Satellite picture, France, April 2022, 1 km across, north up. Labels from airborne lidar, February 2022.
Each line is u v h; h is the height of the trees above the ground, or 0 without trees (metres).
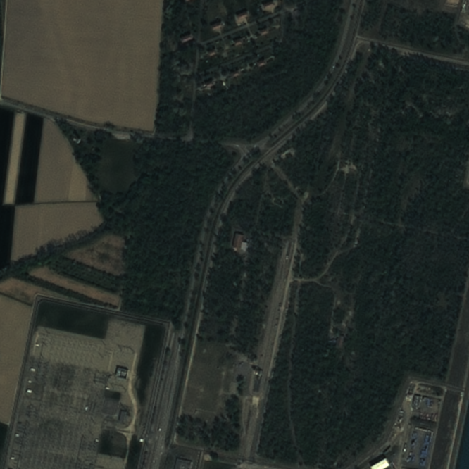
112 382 0
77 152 10
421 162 10
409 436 0
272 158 0
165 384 0
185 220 15
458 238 14
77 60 0
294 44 17
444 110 18
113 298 0
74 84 0
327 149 14
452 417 0
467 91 15
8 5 0
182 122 21
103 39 0
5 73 0
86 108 0
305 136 9
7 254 0
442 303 0
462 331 0
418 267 13
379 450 0
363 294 8
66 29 0
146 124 0
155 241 16
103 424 0
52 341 0
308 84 9
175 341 0
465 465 0
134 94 0
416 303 12
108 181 0
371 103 17
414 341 13
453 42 23
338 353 13
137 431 0
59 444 0
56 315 0
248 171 0
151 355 0
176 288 6
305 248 16
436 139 8
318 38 13
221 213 0
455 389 0
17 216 0
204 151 11
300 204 0
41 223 0
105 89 0
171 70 9
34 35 0
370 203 9
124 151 0
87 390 0
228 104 18
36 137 0
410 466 0
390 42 0
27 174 0
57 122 10
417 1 0
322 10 10
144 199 17
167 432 0
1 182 0
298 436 11
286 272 0
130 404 0
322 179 0
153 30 0
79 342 0
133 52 0
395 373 10
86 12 0
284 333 8
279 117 13
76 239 20
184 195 18
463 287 13
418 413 0
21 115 0
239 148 0
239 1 0
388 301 13
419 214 14
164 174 16
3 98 0
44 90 0
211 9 0
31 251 0
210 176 14
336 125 17
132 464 0
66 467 0
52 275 0
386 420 10
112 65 0
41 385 0
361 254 8
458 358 0
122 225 17
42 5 0
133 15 0
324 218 12
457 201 10
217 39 0
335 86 0
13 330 0
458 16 0
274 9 0
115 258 0
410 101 0
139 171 9
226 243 21
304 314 10
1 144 0
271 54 0
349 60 0
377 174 13
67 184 0
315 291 8
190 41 13
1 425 0
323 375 10
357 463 0
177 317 10
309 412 14
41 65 0
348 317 0
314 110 0
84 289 0
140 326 0
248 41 0
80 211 0
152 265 20
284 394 12
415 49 0
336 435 9
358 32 0
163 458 0
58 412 0
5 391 0
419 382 0
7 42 0
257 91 15
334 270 6
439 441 0
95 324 0
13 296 0
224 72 15
